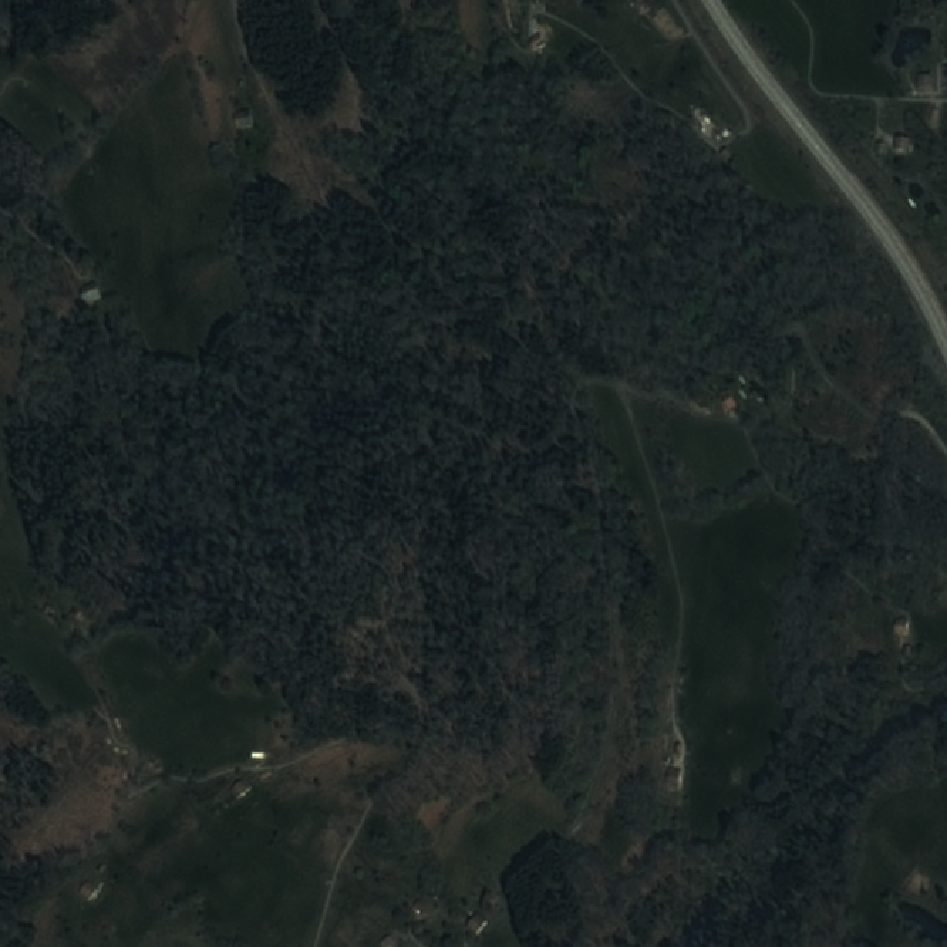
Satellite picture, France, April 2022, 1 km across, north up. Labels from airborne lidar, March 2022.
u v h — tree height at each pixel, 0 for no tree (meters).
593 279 31
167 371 33
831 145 0
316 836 0
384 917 0
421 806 12
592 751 18
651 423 0
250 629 25
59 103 0
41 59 9
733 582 0
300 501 31
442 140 26
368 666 17
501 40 8
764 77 0
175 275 0
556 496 34
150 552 31
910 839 0
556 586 21
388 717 18
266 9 29
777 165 0
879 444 8
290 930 0
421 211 27
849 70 0
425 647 26
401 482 22
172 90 0
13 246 13
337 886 0
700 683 0
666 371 24
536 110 28
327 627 22
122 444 31
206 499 32
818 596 24
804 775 34
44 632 0
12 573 0
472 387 31
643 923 34
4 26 30
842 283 16
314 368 19
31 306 13
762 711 0
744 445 0
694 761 0
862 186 0
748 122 0
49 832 0
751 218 27
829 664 8
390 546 19
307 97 30
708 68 0
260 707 0
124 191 0
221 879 0
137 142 0
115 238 8
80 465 27
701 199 28
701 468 0
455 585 34
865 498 8
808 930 33
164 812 0
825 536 22
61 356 16
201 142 0
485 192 28
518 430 26
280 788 0
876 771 30
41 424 25
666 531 0
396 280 24
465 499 8
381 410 22
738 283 35
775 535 0
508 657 28
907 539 23
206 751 0
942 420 10
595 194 30
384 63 23
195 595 15
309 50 24
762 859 27
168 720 0
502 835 0
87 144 16
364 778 0
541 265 22
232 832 0
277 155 0
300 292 32
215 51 0
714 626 0
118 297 16
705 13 0
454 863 0
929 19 10
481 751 27
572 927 30
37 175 28
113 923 0
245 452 34
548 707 19
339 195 0
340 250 8
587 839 0
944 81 0
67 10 19
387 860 0
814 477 18
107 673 0
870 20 0
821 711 31
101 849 16
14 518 0
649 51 0
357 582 13
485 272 17
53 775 24
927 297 0
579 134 21
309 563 28
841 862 8
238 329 26
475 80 20
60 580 12
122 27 0
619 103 0
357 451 25
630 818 25
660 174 27
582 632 18
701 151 13
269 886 0
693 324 24
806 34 0
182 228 0
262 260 20
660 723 26
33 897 27
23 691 24
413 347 26
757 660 0
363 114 0
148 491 34
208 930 9
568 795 16
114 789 0
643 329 28
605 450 19
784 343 8
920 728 16
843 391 0
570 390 19
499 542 20
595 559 15
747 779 0
